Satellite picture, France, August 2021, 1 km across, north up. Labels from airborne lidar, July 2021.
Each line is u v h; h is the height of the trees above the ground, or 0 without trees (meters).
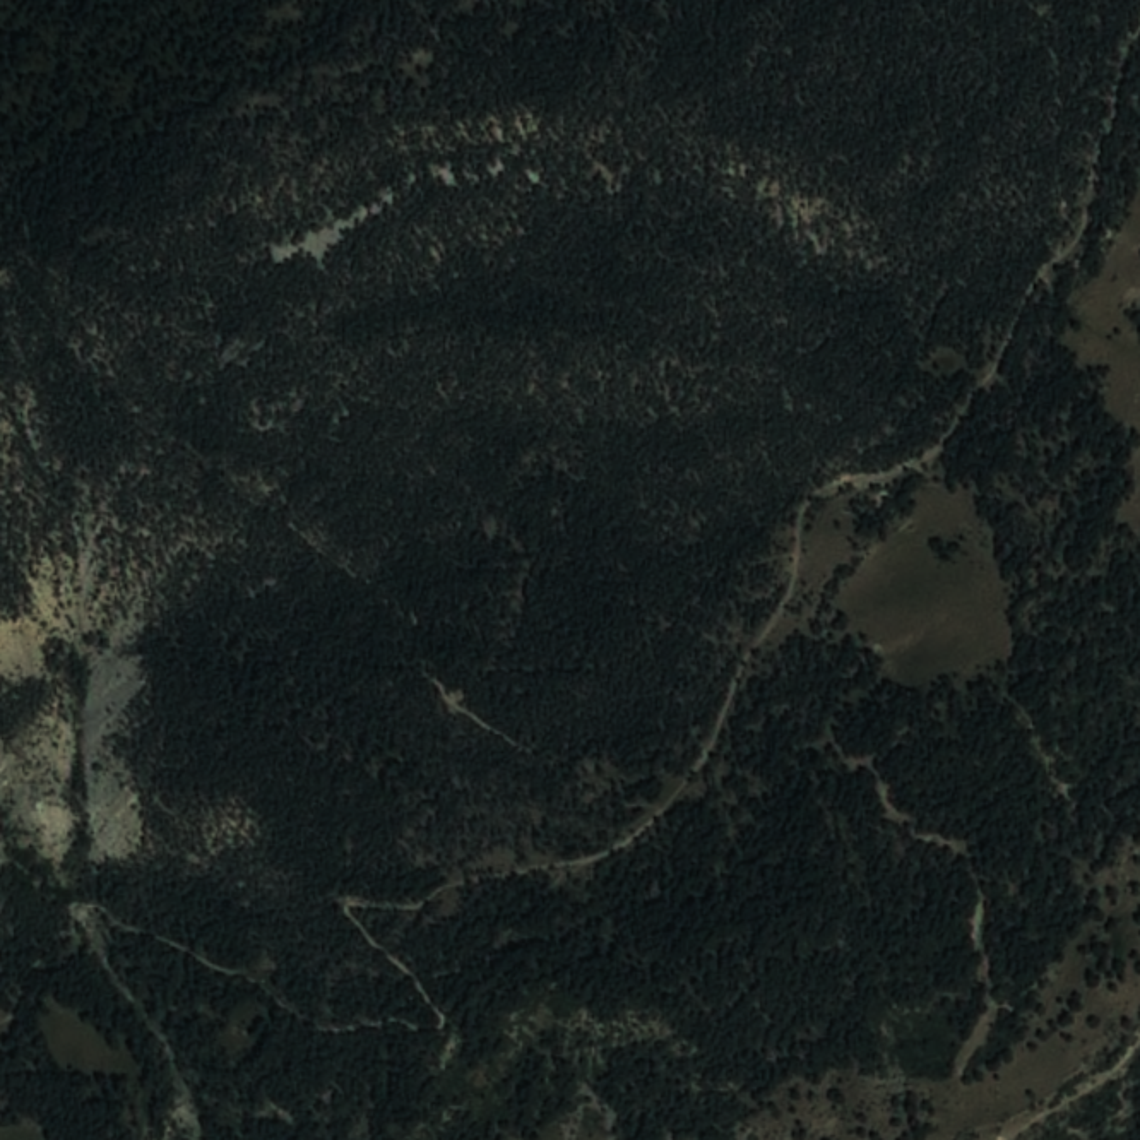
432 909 8
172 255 10
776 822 12
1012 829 10
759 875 7
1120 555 9
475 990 11
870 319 14
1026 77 10
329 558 6
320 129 9
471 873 10
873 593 0
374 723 16
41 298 7
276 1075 13
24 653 0
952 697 10
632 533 12
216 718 9
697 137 9
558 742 10
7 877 10
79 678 11
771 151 9
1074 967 0
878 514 10
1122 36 15
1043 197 8
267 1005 9
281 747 9
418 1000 7
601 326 9
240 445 10
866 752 11
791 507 10
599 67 16
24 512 7
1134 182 12
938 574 0
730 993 13
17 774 0
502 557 14
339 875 8
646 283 8
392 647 14
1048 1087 0
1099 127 9
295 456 8
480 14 10
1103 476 12
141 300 8
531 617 13
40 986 13
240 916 18
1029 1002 9
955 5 7
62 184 14
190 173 13
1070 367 15
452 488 10
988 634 0
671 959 12
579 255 9
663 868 9
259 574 11
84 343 7
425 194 7
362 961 9
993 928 10
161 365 8
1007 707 8
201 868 11
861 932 15
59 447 10
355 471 8
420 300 12
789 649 9
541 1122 7
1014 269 9
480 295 10
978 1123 0
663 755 11
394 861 12
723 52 11
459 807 13
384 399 7
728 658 5
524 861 16
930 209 12
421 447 11
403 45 7
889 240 8
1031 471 15
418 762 10
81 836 7
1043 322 13
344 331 11
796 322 7
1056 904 9
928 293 8
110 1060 0
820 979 17
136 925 12
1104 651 6
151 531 7
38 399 7
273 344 11
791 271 10
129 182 14
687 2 13
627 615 16
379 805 13
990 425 9
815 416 7
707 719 10
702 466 8
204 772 13
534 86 15
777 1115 10
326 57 12
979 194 10
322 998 12
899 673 0
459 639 17
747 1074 9
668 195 9
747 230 11
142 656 7
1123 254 0
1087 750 13
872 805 16
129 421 7
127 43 10
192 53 9
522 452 10
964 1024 9
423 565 16
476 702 7
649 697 10
